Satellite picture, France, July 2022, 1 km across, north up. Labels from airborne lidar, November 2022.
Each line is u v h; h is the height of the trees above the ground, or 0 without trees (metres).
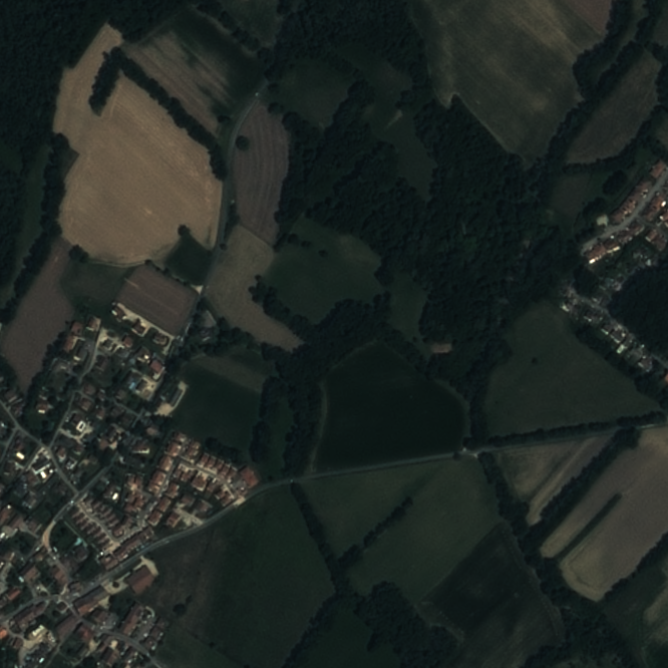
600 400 0
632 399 0
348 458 0
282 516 0
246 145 18
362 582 0
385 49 15
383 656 0
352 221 25
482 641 0
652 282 31
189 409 0
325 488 0
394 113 0
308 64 0
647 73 0
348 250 0
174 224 0
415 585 0
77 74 0
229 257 0
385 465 0
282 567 0
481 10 0
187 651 0
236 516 0
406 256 25
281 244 12
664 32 0
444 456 0
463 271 21
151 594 0
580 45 0
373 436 0
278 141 0
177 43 0
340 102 0
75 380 16
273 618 0
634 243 11
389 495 0
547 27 0
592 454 0
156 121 0
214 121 0
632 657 18
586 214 13
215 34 0
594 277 18
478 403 22
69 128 0
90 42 0
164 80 0
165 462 0
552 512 21
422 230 12
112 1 24
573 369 0
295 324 25
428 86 18
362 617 17
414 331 0
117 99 0
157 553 0
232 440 0
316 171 22
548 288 25
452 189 18
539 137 0
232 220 8
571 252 27
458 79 0
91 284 0
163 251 0
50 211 23
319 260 0
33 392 16
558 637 0
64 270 0
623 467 0
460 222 18
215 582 0
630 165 19
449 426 0
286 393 23
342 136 20
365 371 0
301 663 21
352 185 27
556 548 0
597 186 0
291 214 21
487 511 0
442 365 18
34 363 0
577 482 18
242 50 0
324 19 7
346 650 0
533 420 0
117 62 20
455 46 0
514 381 0
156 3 20
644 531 0
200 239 0
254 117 0
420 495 0
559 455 0
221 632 0
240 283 0
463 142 16
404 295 0
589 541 0
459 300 18
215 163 17
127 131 0
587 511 0
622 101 0
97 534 0
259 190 0
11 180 26
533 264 30
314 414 21
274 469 0
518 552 0
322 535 17
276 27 0
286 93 0
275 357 26
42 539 0
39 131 20
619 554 0
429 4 0
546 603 0
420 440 0
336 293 0
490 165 16
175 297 0
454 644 20
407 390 0
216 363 0
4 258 10
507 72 0
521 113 0
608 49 23
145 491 0
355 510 0
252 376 0
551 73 0
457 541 0
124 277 0
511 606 0
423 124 14
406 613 27
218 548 0
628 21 20
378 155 19
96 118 0
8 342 0
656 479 0
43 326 0
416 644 21
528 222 22
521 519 19
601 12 0
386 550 0
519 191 9
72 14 26
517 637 0
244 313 0
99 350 0
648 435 0
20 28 21
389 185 22
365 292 0
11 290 0
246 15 0
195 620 0
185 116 23
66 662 0
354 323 25
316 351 28
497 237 22
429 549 0
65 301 0
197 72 0
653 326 32
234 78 0
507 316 21
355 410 0
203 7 14
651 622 0
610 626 18
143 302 0
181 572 0
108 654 0
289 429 0
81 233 0
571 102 0
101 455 17
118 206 0
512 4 0
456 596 0
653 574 0
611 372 0
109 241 0
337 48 16
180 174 0
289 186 19
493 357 27
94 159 0
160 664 0
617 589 16
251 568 0
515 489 0
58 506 8
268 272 0
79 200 0
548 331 0
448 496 0
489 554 0
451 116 13
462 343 6
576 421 0
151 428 0
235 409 0
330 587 0
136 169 0
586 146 0
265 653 0
